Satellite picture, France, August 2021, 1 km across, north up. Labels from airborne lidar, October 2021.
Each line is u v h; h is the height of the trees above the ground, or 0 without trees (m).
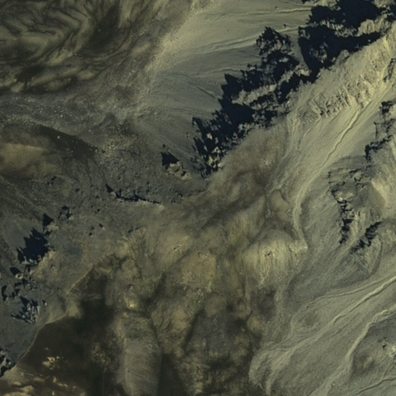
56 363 0
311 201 0
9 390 0
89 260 0
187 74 0
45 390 0
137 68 0
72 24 0
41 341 0
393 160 0
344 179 0
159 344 0
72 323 0
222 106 0
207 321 0
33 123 0
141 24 0
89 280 0
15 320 0
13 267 0
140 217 0
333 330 0
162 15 0
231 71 0
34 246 0
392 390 0
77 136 0
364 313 0
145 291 0
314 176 0
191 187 0
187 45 0
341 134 0
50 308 0
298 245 0
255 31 0
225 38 0
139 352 0
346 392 0
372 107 0
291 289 0
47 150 0
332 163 0
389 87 0
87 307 0
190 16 0
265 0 0
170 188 0
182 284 0
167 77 0
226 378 0
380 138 0
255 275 0
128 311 0
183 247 0
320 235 0
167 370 0
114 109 0
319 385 0
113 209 0
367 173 0
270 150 0
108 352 0
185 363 0
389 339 0
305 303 0
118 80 0
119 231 0
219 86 0
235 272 0
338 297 0
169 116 0
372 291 0
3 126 0
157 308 0
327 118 0
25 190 0
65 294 0
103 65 0
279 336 0
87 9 0
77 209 0
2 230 0
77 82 0
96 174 0
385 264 0
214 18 0
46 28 0
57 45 0
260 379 0
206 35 0
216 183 0
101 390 0
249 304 0
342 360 0
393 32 0
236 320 0
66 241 0
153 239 0
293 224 0
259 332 0
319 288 0
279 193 0
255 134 0
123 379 0
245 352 0
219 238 0
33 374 0
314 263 0
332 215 0
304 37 0
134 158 0
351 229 21
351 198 0
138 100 0
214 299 0
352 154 0
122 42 0
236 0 0
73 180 0
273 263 0
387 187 0
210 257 0
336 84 0
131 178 0
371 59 0
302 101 0
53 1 0
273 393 0
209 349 0
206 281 0
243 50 0
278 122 0
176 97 0
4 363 0
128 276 0
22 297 0
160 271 0
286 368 0
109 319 0
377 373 0
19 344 0
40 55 0
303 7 0
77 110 0
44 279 0
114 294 0
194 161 0
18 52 0
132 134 0
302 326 0
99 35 0
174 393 0
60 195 0
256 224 0
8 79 0
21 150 0
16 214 0
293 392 0
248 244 0
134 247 0
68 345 0
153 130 0
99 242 0
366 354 0
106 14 0
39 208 0
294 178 0
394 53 0
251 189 0
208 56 0
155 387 0
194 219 0
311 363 0
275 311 0
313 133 0
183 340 0
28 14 0
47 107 0
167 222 0
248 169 0
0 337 0
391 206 0
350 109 0
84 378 0
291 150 0
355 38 0
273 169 0
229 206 0
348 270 0
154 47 0
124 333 0
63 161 0
